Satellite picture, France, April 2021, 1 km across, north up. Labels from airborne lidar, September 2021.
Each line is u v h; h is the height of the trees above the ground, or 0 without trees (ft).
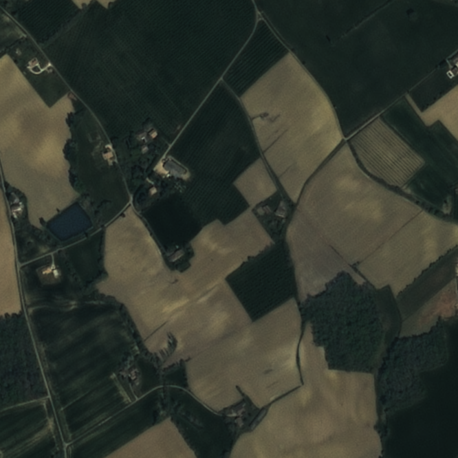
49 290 0
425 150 0
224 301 0
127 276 0
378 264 0
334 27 0
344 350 63
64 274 0
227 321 0
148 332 0
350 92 0
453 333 0
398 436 0
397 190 49
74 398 0
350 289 73
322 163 0
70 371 0
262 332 0
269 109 0
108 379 0
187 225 0
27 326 56
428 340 41
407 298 0
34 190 0
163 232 0
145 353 84
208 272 0
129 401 0
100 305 0
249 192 0
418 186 0
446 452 0
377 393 0
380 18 0
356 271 41
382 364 0
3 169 0
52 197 0
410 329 0
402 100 0
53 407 0
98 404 0
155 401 0
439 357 53
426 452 0
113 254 0
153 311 0
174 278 0
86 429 0
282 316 0
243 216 0
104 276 55
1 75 0
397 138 0
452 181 0
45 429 0
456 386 0
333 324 68
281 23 0
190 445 35
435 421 0
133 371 0
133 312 0
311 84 0
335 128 0
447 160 0
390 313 0
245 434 0
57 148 0
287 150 0
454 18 0
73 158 100
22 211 0
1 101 0
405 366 63
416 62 0
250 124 0
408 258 0
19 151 0
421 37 0
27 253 0
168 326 0
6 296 0
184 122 0
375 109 0
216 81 0
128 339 0
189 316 0
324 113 0
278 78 0
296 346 0
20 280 0
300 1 0
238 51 0
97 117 0
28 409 0
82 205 0
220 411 0
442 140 0
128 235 0
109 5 20
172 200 0
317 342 40
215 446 0
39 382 71
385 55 0
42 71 0
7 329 61
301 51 0
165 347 0
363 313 75
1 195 0
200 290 0
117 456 0
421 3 0
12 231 0
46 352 0
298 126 0
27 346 57
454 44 0
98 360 0
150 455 0
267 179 0
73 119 62
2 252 0
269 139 0
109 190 0
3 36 0
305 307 48
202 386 0
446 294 0
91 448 0
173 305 0
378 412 0
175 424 37
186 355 0
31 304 0
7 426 0
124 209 0
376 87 0
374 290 41
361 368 71
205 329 0
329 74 0
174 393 0
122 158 26
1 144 0
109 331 0
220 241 0
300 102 0
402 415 0
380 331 57
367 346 65
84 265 0
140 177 20
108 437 0
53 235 0
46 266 22
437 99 25
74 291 0
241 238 0
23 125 0
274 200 0
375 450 0
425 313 0
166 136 22
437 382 0
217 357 0
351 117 0
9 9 41
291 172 0
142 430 0
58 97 0
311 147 0
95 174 0
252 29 0
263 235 0
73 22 51
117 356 0
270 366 0
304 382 0
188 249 30
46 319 0
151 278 0
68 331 0
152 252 0
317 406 0
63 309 0
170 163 0
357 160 32
